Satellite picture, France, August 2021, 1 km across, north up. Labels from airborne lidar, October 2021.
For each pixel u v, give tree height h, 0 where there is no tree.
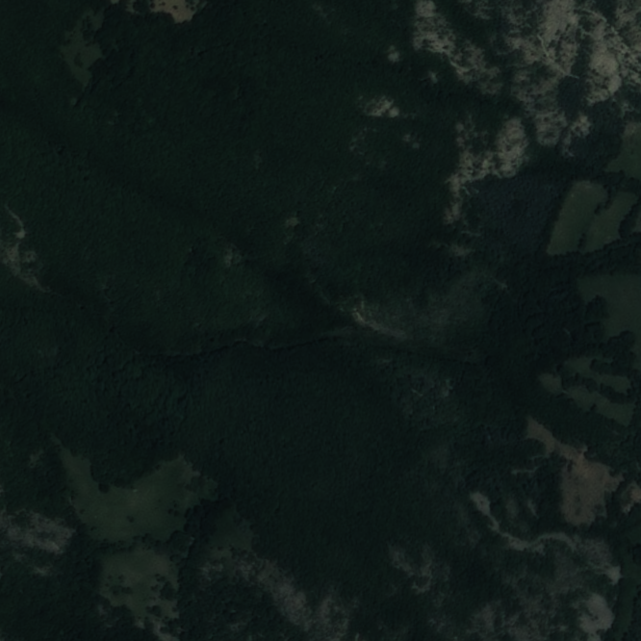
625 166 0
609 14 8
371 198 12
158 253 20
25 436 15
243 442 16
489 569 8
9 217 10
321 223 9
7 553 16
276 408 17
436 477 9
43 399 24
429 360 7
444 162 17
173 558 14
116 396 21
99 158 17
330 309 13
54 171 24
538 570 9
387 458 23
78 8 20
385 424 15
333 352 12
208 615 9
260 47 28
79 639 19
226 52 19
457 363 12
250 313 10
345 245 12
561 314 24
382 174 11
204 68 22
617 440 7
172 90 18
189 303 8
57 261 12
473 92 11
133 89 20
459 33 8
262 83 20
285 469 15
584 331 17
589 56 8
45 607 20
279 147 14
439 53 6
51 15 19
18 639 10
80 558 19
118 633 16
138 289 9
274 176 15
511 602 8
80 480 0
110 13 16
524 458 13
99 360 31
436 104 21
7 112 13
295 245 15
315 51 17
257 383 18
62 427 15
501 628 6
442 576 6
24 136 18
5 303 15
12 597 21
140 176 18
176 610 12
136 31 22
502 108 11
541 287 15
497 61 18
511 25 8
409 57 11
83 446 10
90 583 24
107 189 26
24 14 19
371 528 20
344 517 17
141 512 0
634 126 0
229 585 7
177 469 0
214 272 15
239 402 10
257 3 13
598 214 11
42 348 8
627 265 15
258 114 20
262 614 16
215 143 14
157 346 19
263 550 9
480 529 11
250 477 16
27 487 13
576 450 0
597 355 16
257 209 13
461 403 7
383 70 18
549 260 19
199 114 18
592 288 0
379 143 12
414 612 12
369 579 12
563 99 11
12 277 14
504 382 19
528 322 20
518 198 19
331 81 22
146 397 26
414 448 22
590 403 0
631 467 8
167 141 16
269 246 10
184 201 16
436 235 16
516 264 9
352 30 11
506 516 14
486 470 13
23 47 18
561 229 0
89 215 18
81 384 26
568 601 7
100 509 0
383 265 14
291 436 14
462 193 6
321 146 18
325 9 8
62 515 8
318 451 13
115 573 0
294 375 16
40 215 10
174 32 22
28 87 10
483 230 8
